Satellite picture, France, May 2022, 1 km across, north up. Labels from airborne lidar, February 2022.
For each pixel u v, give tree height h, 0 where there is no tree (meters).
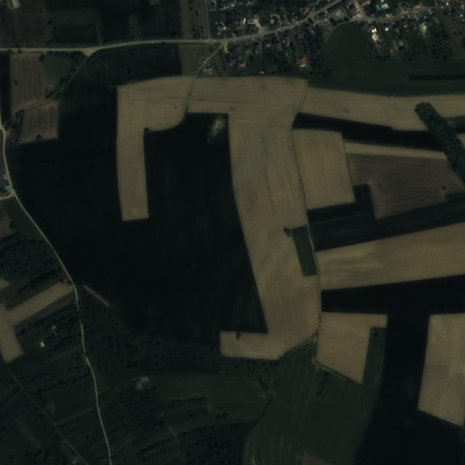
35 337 0
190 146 0
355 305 0
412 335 0
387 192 0
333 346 0
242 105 0
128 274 0
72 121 0
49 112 0
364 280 0
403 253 0
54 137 0
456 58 0
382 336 0
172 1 0
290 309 0
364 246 0
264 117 0
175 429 0
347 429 0
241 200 0
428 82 0
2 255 15
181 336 0
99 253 0
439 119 14
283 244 0
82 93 0
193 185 0
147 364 0
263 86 0
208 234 0
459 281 0
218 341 0
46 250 17
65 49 0
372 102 0
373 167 0
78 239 0
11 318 0
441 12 0
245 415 0
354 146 0
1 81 0
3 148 0
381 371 0
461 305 0
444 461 0
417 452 0
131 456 0
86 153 0
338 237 0
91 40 0
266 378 0
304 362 0
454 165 17
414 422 0
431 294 0
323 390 0
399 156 0
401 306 0
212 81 0
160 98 0
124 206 0
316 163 0
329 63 0
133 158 0
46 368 0
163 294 0
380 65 0
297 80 0
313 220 0
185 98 0
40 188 0
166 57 0
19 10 0
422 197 0
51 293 0
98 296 0
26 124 0
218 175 0
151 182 0
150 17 0
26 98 0
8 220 0
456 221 0
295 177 0
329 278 0
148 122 0
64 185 0
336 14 0
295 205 0
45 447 0
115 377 0
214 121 0
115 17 0
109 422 0
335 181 0
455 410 0
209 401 0
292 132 0
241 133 0
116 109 0
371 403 0
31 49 0
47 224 0
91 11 0
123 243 0
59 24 0
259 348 0
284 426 0
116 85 0
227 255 0
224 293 0
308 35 14
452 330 0
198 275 0
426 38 0
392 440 0
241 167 0
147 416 0
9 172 0
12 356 0
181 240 0
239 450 0
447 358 0
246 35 0
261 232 0
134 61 0
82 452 0
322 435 0
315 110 0
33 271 8
